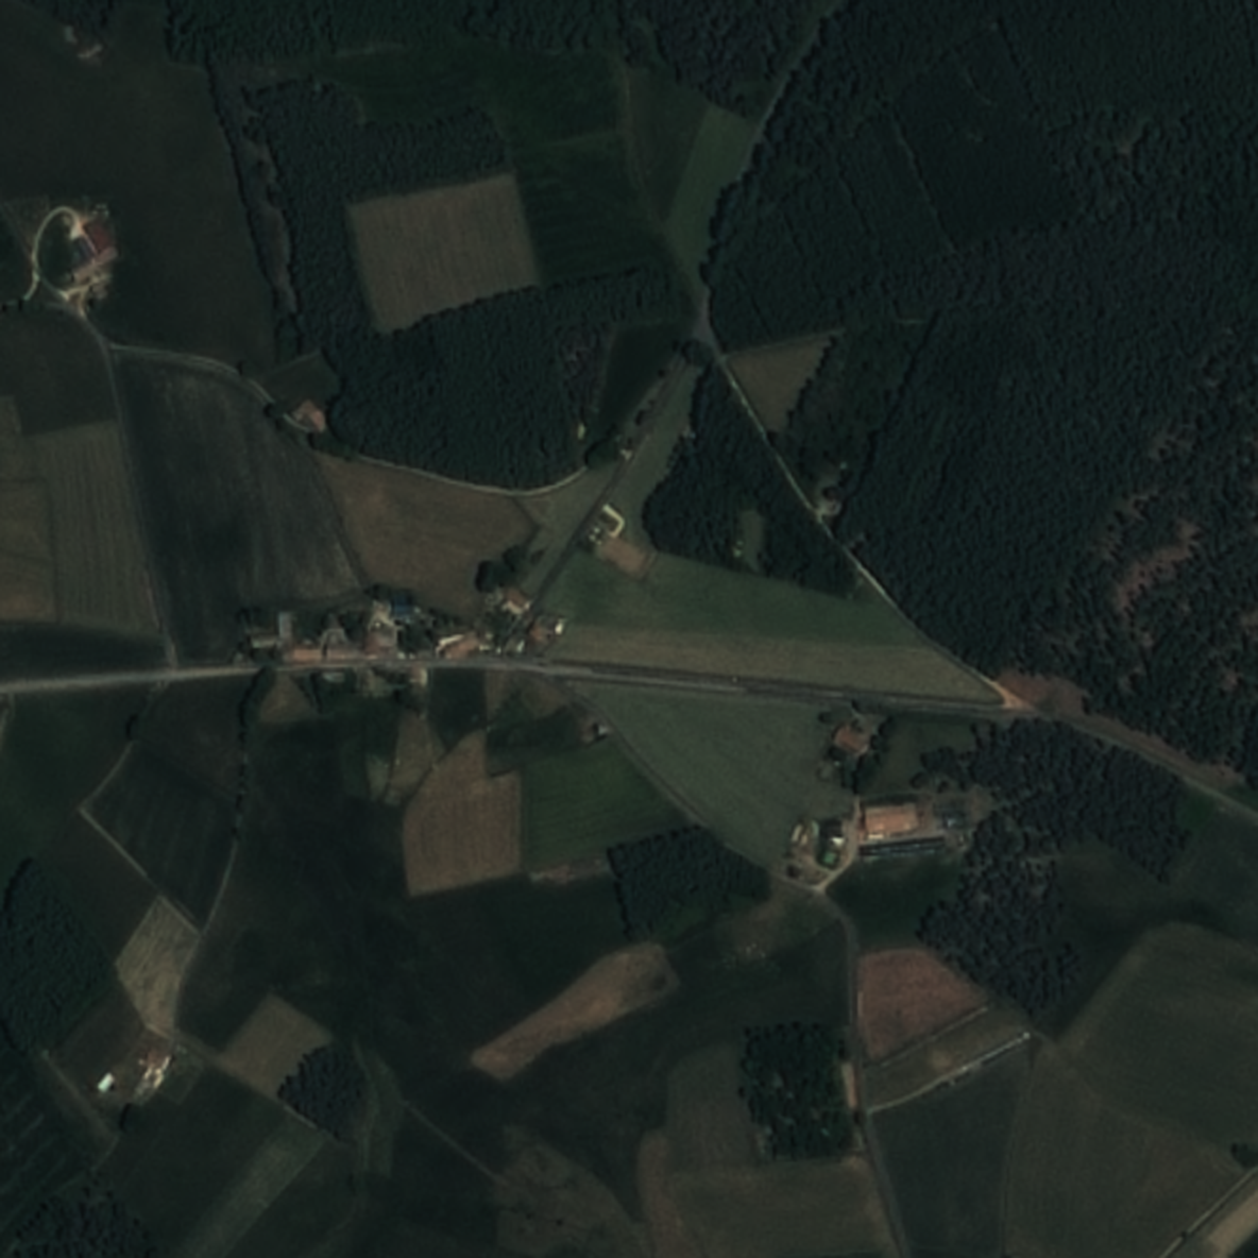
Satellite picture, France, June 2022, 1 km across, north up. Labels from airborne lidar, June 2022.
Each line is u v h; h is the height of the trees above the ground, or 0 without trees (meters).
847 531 20
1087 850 0
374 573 0
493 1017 0
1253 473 24
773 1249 0
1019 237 20
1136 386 21
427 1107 0
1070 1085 0
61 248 0
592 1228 0
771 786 0
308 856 0
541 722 0
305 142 16
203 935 0
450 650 0
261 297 0
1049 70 18
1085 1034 0
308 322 17
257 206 16
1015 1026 0
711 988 0
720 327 13
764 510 13
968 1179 0
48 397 0
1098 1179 0
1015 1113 0
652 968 0
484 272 0
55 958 25
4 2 0
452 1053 0
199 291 0
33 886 26
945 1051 0
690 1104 0
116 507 0
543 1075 0
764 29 12
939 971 0
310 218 17
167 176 0
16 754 0
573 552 0
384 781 0
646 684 0
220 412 0
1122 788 19
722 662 0
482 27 31
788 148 19
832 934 0
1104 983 0
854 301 20
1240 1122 0
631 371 0
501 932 0
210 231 0
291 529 0
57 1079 0
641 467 0
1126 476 20
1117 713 14
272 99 20
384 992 0
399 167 16
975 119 10
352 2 17
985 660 17
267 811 0
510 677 0
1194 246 26
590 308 26
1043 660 26
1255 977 0
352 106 14
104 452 0
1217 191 11
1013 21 19
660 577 0
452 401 26
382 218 0
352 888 0
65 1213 19
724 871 24
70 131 0
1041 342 21
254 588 0
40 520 0
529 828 0
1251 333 21
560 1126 0
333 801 0
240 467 0
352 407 19
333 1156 0
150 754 0
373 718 0
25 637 0
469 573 0
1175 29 19
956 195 12
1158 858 12
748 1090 9
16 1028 29
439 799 0
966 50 12
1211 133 21
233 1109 0
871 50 22
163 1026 0
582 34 33
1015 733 17
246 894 0
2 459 0
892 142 11
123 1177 0
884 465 23
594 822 0
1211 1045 0
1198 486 26
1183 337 22
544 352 25
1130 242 16
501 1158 0
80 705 0
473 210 0
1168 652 16
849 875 0
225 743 0
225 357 0
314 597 0
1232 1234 0
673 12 17
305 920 0
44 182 0
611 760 0
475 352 28
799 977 0
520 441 25
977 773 18
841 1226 0
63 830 0
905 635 0
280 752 0
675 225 0
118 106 0
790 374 0
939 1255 0
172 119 0
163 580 0
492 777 0
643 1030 0
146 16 0
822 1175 0
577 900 0
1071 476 23
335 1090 16
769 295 13
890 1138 0
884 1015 0
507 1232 0
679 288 18
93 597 0
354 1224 0
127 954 0
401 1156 0
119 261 0
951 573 25
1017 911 16
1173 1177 0
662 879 23
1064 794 16
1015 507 27
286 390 0
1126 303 21
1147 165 16
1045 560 27
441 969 0
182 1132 0
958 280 20
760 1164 0
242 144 11
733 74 17
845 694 0
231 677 0
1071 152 15
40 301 11
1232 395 24
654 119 0
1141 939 0
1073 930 0
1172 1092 0
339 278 18
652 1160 0
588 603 0
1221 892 0
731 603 0
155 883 0
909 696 0
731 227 27
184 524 0
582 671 0
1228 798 0
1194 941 0
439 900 0
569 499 0
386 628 0
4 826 0
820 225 13
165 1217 0
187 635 0
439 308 0
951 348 17
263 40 15
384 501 0
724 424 24
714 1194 0
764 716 0
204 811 0
